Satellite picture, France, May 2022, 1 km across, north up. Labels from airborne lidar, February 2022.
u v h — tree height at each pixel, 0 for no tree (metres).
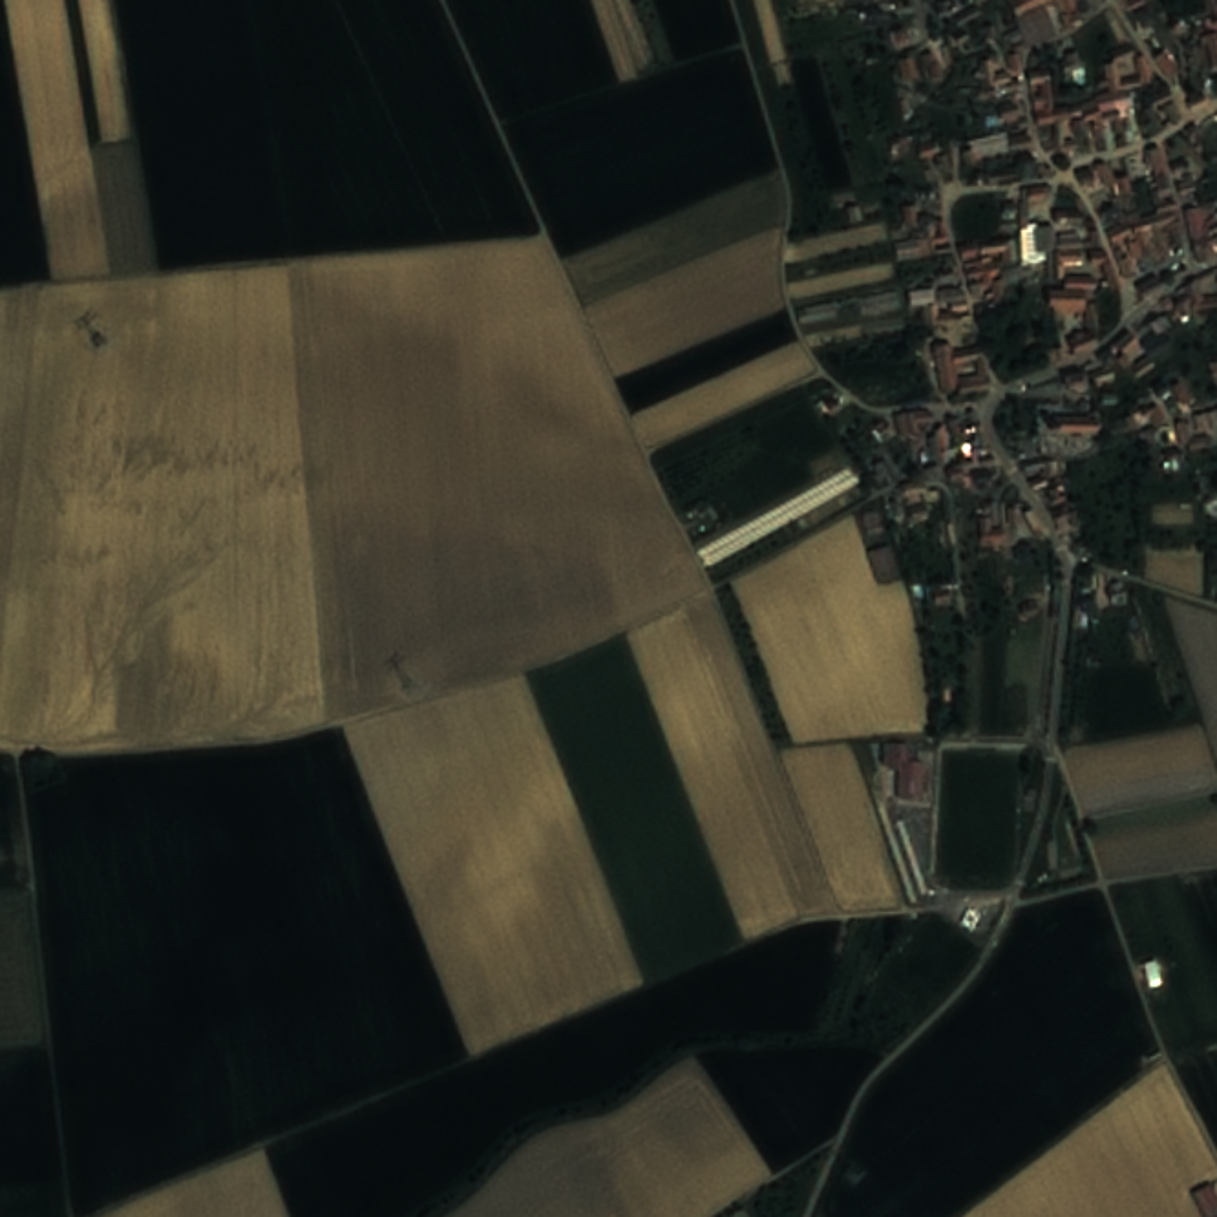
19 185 0
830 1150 0
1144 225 0
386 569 0
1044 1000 0
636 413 0
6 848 0
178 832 0
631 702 0
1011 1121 0
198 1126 0
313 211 0
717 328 0
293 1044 0
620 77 0
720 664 0
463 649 0
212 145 0
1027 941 0
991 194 0
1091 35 0
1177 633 0
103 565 0
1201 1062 0
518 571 0
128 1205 0
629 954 0
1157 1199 0
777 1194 7
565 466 0
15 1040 0
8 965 0
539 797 0
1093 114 0
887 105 0
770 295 0
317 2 0
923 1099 0
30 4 0
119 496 0
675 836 0
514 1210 0
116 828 0
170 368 0
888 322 0
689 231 0
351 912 0
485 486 0
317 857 0
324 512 0
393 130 0
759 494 0
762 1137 0
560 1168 0
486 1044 0
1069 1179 0
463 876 0
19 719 0
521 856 0
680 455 0
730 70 0
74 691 0
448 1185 0
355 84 0
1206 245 0
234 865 0
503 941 0
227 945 0
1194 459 0
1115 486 8
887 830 0
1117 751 0
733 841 0
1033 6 0
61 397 0
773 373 0
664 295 0
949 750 0
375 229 0
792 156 0
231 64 0
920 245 0
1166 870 0
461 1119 0
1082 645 6
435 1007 0
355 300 0
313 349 0
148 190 0
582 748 0
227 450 0
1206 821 0
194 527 0
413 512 0
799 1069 0
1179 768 0
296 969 0
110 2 0
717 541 0
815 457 0
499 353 0
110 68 0
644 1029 0
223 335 0
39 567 0
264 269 0
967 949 0
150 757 0
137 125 0
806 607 0
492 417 0
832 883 0
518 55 0
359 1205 0
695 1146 0
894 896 0
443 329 0
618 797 0
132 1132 0
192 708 0
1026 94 0
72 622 0
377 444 0
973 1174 0
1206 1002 0
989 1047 0
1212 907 0
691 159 0
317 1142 0
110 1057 0
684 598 0
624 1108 0
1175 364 0
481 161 0
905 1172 0
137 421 0
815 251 0
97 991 0
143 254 0
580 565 0
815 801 0
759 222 0
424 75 0
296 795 0
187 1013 0
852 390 0
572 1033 0
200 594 0
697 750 0
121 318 0
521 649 0
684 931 0
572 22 0
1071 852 0
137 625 0
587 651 0
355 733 0
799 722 0
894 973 0
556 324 0
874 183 0
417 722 0
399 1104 0
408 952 0
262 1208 0
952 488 0
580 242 0
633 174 0
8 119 0
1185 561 0
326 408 0
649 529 0
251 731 0
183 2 0
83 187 0
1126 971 0
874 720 0
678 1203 0
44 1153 0
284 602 0
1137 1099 0
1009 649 0
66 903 0
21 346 0
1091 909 0
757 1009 0
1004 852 0
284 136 0
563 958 0
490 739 0
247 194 0
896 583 0
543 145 0
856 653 0
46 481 0
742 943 0
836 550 0
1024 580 0
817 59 0
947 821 0
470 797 0
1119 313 0
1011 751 0
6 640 0
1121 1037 0
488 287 0
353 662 0
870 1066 0
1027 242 0
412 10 0
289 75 0
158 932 0
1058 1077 0
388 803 0
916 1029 0
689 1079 0
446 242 0
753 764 0
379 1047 0
